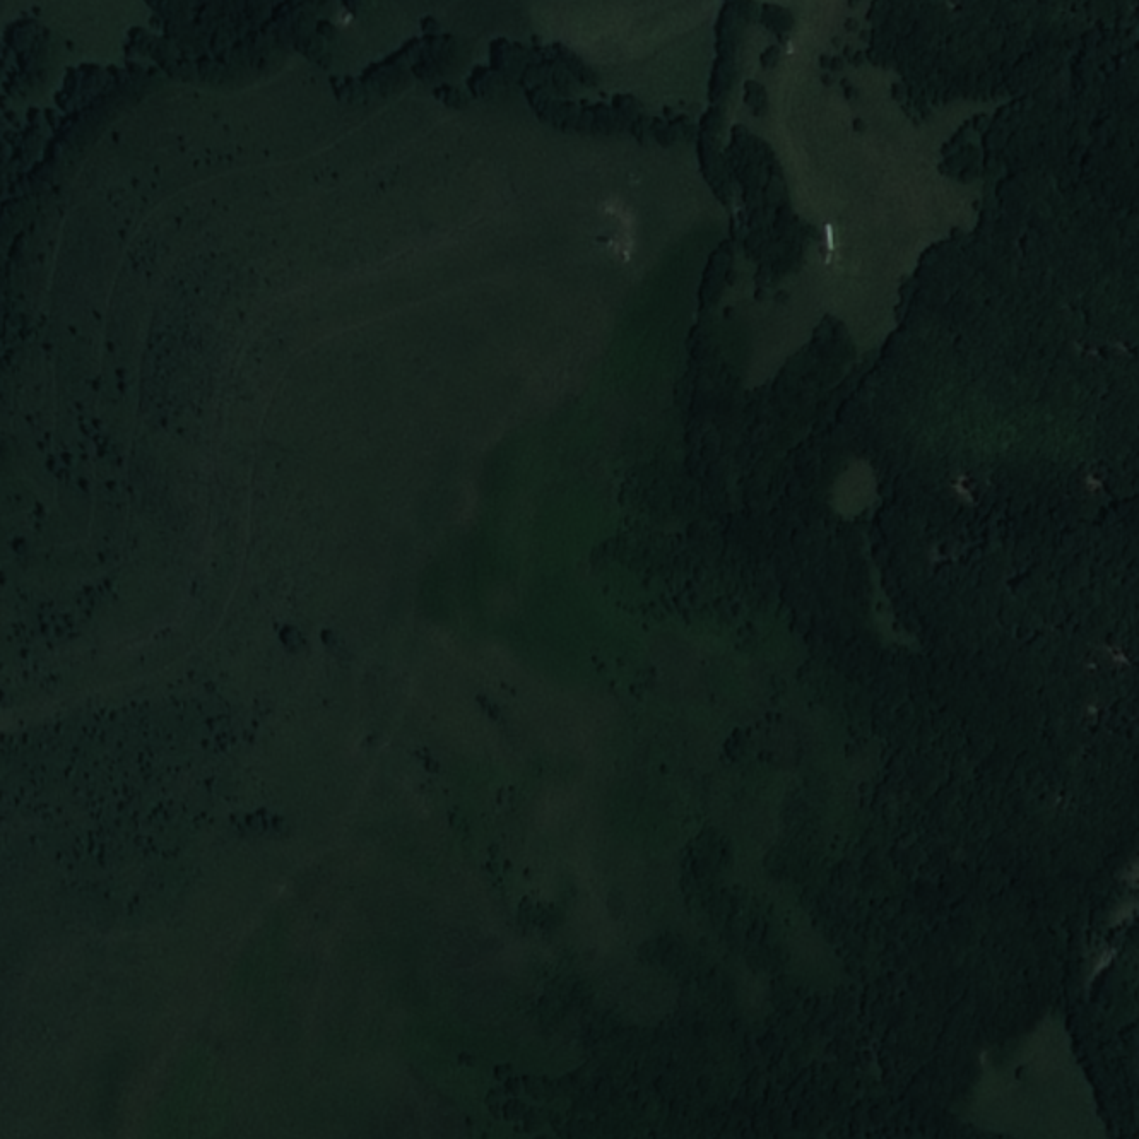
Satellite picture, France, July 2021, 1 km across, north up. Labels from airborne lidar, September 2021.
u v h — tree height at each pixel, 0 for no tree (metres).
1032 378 30
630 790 0
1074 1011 24
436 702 0
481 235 0
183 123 0
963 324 32
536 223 0
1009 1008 31
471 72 0
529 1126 8
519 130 0
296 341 0
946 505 40
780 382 16
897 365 29
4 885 0
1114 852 20
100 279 0
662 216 0
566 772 0
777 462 10
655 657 0
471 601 0
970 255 31
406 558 0
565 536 0
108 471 0
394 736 0
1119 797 29
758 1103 18
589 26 0
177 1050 0
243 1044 0
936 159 0
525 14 0
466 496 0
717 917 6
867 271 0
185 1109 0
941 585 31
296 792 0
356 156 0
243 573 0
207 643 0
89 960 0
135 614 0
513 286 0
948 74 19
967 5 28
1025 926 32
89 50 0
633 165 0
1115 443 27
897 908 19
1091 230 26
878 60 16
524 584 0
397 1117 0
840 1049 17
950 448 16
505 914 0
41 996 0
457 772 0
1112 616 35
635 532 9
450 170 0
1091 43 33
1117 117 27
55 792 0
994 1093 0
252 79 0
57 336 0
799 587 26
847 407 28
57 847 0
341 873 0
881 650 18
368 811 0
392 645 0
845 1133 15
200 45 20
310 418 0
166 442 0
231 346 0
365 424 0
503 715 15
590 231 0
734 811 0
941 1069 29
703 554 14
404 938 0
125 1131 0
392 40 0
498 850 10
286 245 0
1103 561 34
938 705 12
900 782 22
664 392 0
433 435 0
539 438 0
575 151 0
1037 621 34
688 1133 10
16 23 0
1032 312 32
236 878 0
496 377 0
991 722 18
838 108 0
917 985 20
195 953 0
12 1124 0
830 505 7
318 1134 0
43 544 0
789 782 0
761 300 12
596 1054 7
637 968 0
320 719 0
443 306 0
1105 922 10
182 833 0
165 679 0
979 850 23
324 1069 0
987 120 17
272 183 0
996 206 13
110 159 0
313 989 0
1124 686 32
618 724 0
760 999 0
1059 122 26
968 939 22
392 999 0
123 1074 0
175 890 0
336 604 0
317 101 0
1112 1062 18
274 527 0
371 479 0
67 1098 0
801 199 0
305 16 26
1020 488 31
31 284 0
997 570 37
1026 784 25
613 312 0
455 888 0
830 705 6
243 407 0
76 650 0
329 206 0
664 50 0
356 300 0
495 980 0
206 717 0
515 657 0
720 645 0
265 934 0
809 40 0
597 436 0
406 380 0
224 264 0
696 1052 11
